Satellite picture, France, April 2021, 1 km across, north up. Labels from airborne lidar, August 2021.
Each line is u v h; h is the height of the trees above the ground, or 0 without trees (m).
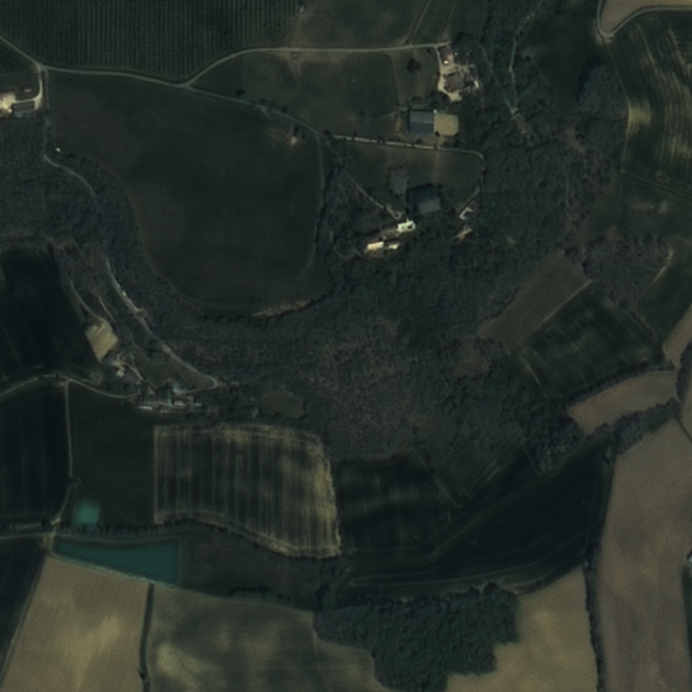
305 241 0
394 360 11
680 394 9
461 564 0
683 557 0
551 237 24
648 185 0
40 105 0
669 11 0
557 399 0
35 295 0
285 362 14
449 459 8
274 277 0
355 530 0
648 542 0
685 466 0
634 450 36
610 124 13
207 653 0
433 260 18
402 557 0
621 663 0
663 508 0
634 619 0
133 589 0
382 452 22
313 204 0
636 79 0
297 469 0
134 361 0
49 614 0
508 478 0
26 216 21
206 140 0
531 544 0
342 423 15
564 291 0
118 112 0
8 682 0
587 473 0
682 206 0
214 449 0
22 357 0
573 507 0
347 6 0
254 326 8
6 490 0
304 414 10
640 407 0
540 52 0
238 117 0
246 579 0
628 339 0
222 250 0
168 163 0
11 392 0
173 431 0
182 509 0
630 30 0
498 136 17
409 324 7
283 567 12
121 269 13
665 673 0
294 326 16
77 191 14
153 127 0
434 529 0
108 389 8
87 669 0
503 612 23
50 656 0
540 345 0
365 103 0
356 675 0
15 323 0
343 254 16
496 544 0
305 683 0
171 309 15
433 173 0
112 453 0
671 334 0
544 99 18
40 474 0
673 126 0
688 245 0
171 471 0
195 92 0
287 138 0
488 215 14
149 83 0
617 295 20
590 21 0
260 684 0
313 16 0
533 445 11
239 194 0
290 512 0
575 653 0
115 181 12
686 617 0
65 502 0
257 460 0
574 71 0
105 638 0
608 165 17
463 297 20
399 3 0
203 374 17
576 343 0
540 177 17
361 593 0
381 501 0
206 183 0
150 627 0
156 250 0
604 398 0
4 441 0
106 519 0
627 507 0
